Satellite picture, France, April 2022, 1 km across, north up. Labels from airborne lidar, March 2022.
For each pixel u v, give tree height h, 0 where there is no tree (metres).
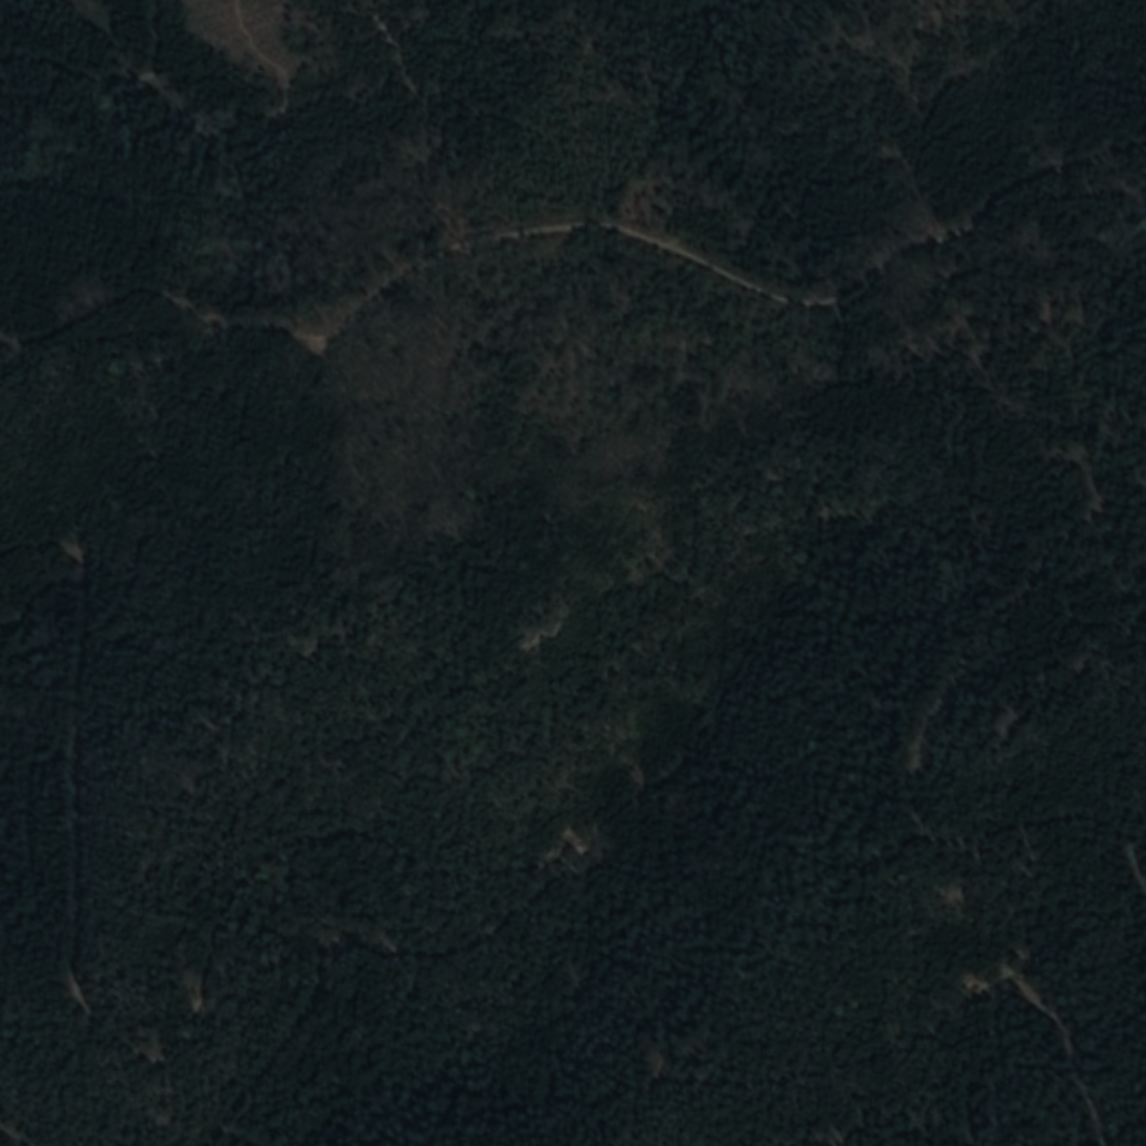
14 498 22
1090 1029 11
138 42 17
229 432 16
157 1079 25
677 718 13
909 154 10
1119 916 15
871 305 22
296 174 14
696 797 28
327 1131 23
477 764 26
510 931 26
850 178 9
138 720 24
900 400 16
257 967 23
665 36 28
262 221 17
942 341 18
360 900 34
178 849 25
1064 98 17
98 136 14
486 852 28
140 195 17
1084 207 11
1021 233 14
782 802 22
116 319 20
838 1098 28
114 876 15
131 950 20
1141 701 17
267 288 20
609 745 32
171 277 13
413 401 14
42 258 20
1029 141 17
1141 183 13
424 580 12
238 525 19
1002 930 30
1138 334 19
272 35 0
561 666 21
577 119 6
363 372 16
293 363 17
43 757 28
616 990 26
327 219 14
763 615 10
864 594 28
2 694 31
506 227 10
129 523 22
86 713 17
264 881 31
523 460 9
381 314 15
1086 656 15
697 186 10
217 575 21
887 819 24
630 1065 25
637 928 24
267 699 26
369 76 9
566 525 11
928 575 22
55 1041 21
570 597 13
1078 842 19
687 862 25
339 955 11
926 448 17
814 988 23
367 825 24
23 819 25
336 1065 33
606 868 16
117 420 21
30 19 19
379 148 17
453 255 10
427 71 11
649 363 11
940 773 15
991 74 11
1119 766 27
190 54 11
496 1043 17
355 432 11
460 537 13
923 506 21
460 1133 29
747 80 30
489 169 9
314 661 8
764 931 22
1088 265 15
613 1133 23
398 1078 26
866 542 8
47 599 26
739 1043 29
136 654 23
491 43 8
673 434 16
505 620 20
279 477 12
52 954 26
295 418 16
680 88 22
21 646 24
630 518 14
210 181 15
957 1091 29
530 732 30
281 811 37
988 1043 29
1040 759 22
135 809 19
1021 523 11
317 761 26
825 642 24
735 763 28
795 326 9
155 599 21
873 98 15
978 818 23
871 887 24
